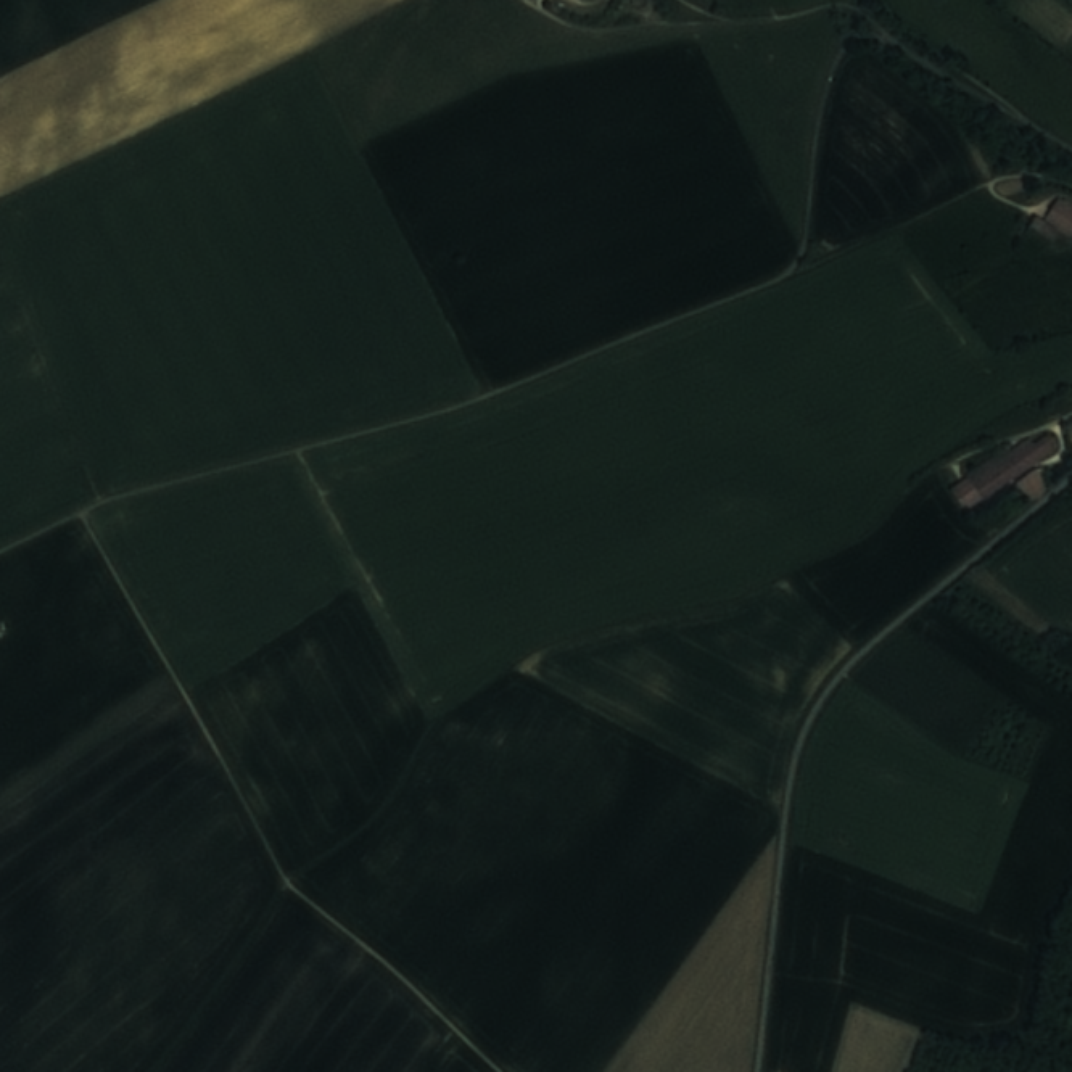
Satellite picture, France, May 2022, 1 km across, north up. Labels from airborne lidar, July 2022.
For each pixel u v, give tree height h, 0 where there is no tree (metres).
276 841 0
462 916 0
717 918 0
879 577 0
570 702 0
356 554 0
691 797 0
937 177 0
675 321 0
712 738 0
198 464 0
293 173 0
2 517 0
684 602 0
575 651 0
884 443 0
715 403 0
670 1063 0
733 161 0
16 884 0
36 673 0
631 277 0
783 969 0
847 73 0
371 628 0
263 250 0
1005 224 0
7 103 0
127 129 0
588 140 0
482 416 0
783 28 0
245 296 0
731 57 0
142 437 0
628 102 0
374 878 0
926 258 0
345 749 0
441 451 0
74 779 0
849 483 0
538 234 0
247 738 0
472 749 0
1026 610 0
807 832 0
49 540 0
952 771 0
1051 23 0
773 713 0
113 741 0
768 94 0
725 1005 0
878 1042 0
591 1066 0
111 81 0
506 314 0
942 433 0
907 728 0
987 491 0
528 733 0
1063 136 0
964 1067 20
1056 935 18
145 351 0
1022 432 0
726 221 0
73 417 0
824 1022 0
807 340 0
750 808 0
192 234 0
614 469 0
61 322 0
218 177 0
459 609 0
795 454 0
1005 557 0
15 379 0
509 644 0
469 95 0
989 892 0
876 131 0
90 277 0
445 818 0
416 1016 0
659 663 0
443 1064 0
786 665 0
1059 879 0
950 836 0
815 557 0
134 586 0
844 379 0
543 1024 0
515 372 0
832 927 0
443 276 0
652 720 0
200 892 0
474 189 0
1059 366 0
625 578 0
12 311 0
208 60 0
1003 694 0
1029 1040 6
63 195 0
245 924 0
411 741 0
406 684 0
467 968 0
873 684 0
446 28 0
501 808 0
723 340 0
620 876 0
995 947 0
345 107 0
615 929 0
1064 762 0
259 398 0
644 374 0
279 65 0
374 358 0
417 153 0
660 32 0
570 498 0
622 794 0
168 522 0
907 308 0
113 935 0
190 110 0
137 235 0
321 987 0
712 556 0
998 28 0
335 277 0
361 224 0
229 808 0
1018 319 0
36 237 0
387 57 0
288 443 0
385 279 0
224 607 0
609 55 0
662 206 0
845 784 0
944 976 0
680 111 0
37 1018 0
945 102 11
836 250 0
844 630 0
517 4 0
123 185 0
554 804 0
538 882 0
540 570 0
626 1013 0
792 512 0
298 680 0
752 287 0
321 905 0
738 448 0
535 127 0
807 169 0
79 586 0
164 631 0
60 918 0
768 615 0
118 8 0
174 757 0
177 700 0
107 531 0
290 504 0
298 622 0
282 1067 0
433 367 0
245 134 0
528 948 0
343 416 0
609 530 0
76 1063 0
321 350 0
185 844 0
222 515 0
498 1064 0
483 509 0
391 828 0
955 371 0
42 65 0
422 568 0
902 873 0
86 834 0
